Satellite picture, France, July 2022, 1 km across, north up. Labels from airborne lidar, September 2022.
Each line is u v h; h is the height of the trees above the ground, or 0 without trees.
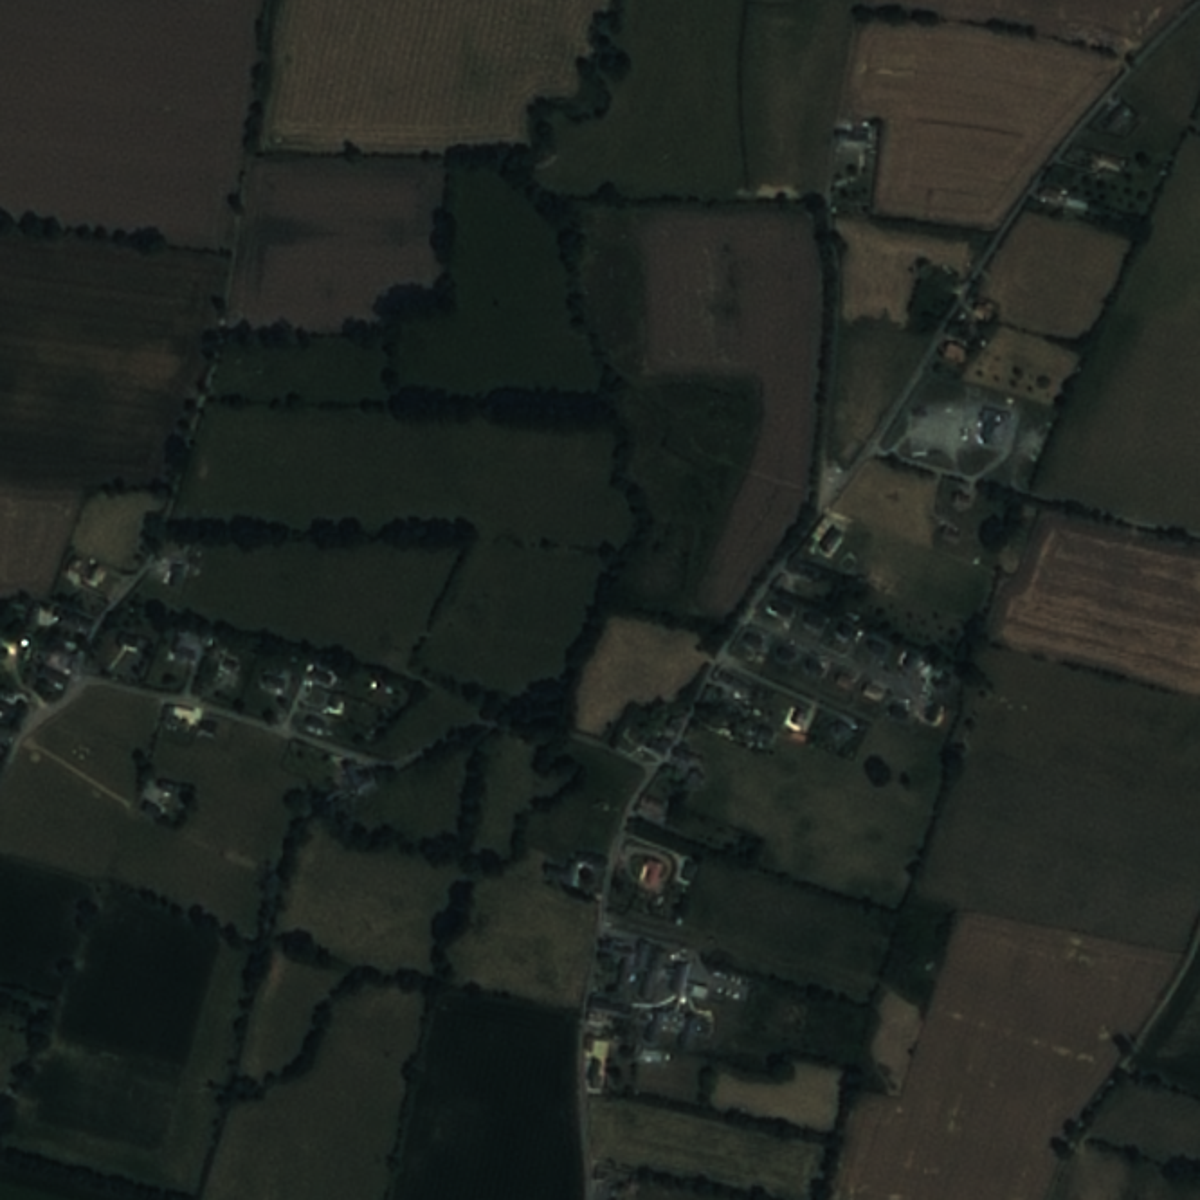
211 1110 0
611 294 0
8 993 7
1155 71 0
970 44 0
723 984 0
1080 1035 0
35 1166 12
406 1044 0
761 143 0
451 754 9
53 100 0
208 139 0
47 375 0
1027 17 0
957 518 0
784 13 0
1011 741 0
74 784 0
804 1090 0
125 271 0
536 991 0
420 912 0
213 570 0
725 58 0
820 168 0
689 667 0
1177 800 0
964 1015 0
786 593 9
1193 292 0
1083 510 10
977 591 0
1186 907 0
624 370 0
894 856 0
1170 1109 0
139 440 0
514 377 0
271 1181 0
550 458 0
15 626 14
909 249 0
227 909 0
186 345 0
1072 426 0
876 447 0
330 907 0
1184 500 0
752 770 0
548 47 0
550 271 0
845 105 0
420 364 0
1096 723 0
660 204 6
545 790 0
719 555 0
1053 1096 0
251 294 0
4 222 19
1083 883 0
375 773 10
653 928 0
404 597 0
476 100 0
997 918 0
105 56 0
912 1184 0
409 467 0
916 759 0
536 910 0
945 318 6
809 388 0
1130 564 0
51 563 0
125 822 0
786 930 0
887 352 0
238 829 0
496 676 0
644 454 0
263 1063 0
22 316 0
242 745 0
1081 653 0
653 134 0
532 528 0
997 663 0
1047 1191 0
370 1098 0
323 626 0
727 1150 0
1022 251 0
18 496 0
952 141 0
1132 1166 18
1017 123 0
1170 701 0
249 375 0
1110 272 0
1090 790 0
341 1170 0
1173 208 0
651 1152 0
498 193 0
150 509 0
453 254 15
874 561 0
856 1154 0
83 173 0
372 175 0
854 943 0
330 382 0
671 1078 0
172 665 0
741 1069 5
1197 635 0
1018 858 0
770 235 0
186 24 0
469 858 19
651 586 0
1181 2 0
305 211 0
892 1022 0
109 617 8
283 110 0
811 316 0
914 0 0
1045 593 0
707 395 0
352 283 0
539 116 12
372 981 13
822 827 0
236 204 16
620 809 0
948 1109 0
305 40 0
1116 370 0
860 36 0
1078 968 0
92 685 0
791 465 0
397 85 0
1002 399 0
